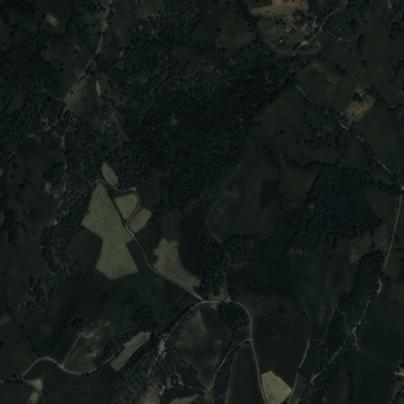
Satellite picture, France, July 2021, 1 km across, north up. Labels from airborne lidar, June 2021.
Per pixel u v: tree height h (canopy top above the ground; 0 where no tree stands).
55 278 13
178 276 0
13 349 0
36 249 0
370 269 14
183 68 11
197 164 14
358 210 23
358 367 0
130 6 0
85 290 0
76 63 0
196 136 12
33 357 0
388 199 0
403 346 0
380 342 0
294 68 0
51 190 0
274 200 0
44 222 0
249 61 20
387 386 0
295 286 0
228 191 0
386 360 0
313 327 0
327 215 17
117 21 0
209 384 0
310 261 0
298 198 0
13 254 0
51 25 0
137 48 21
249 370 0
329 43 0
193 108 24
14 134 23
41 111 7
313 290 0
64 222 17
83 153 21
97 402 0
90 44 12
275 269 0
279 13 0
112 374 0
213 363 0
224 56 11
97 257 0
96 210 0
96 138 10
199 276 0
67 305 0
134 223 0
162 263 0
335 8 7
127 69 19
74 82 0
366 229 20
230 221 0
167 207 17
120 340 9
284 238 0
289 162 16
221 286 9
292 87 18
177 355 22
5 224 9
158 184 0
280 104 0
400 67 17
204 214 0
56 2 0
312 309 0
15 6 21
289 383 0
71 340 0
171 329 17
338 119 11
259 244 0
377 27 0
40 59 14
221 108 22
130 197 0
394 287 0
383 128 0
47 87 10
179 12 13
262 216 0
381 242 0
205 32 0
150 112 11
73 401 0
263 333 0
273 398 0
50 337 0
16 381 14
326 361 15
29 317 9
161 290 0
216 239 0
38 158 0
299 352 0
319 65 0
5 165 7
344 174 14
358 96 13
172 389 11
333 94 0
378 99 8
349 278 0
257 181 0
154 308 0
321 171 13
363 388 0
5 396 0
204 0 12
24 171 0
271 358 0
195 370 9
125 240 0
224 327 0
